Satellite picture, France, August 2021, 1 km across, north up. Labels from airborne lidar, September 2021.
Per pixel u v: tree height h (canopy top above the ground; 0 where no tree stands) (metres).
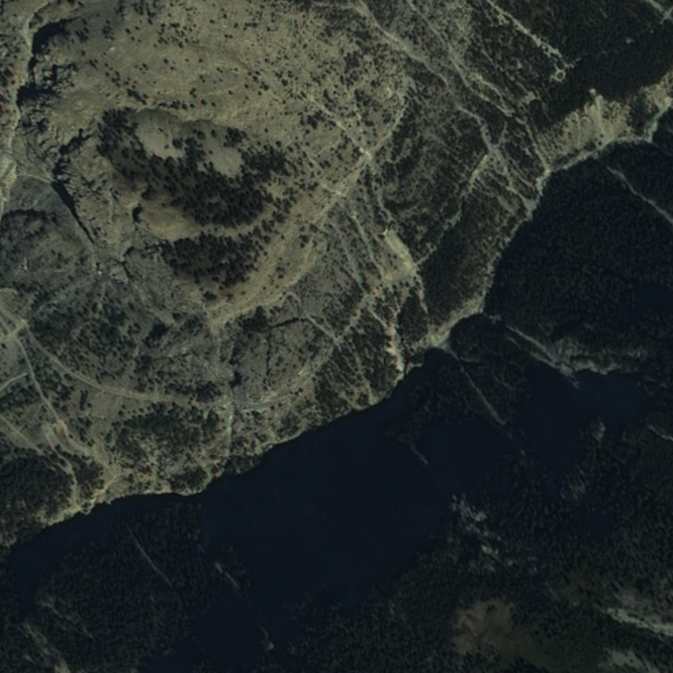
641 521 12
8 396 7
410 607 6
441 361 7
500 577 7
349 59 6
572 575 16
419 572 7
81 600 12
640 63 13
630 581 15
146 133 0
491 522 11
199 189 14
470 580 8
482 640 0
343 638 12
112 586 14
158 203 0
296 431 8
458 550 7
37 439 0
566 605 7
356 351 7
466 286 11
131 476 12
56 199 0
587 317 7
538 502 16
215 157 0
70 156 0
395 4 7
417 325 10
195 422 10
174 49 0
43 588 8
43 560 7
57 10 0
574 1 10
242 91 0
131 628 8
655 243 12
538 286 14
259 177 9
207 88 0
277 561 6
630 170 6
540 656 0
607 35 10
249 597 6
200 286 10
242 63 0
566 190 12
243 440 7
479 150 10
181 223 0
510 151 8
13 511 10
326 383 12
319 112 9
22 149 0
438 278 12
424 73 9
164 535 12
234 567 12
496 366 11
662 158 10
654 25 6
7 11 0
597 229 15
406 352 7
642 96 6
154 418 9
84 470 10
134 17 0
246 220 12
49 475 6
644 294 8
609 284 9
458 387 13
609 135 0
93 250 0
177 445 6
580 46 11
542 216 11
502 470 10
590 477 9
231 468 11
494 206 6
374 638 16
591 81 10
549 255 10
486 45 9
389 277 0
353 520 6
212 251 13
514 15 8
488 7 8
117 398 0
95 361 0
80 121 0
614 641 6
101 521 0
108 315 10
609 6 9
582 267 14
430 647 9
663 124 8
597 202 16
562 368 0
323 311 7
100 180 0
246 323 10
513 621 5
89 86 0
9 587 10
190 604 7
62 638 10
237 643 8
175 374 9
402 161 10
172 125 0
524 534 12
